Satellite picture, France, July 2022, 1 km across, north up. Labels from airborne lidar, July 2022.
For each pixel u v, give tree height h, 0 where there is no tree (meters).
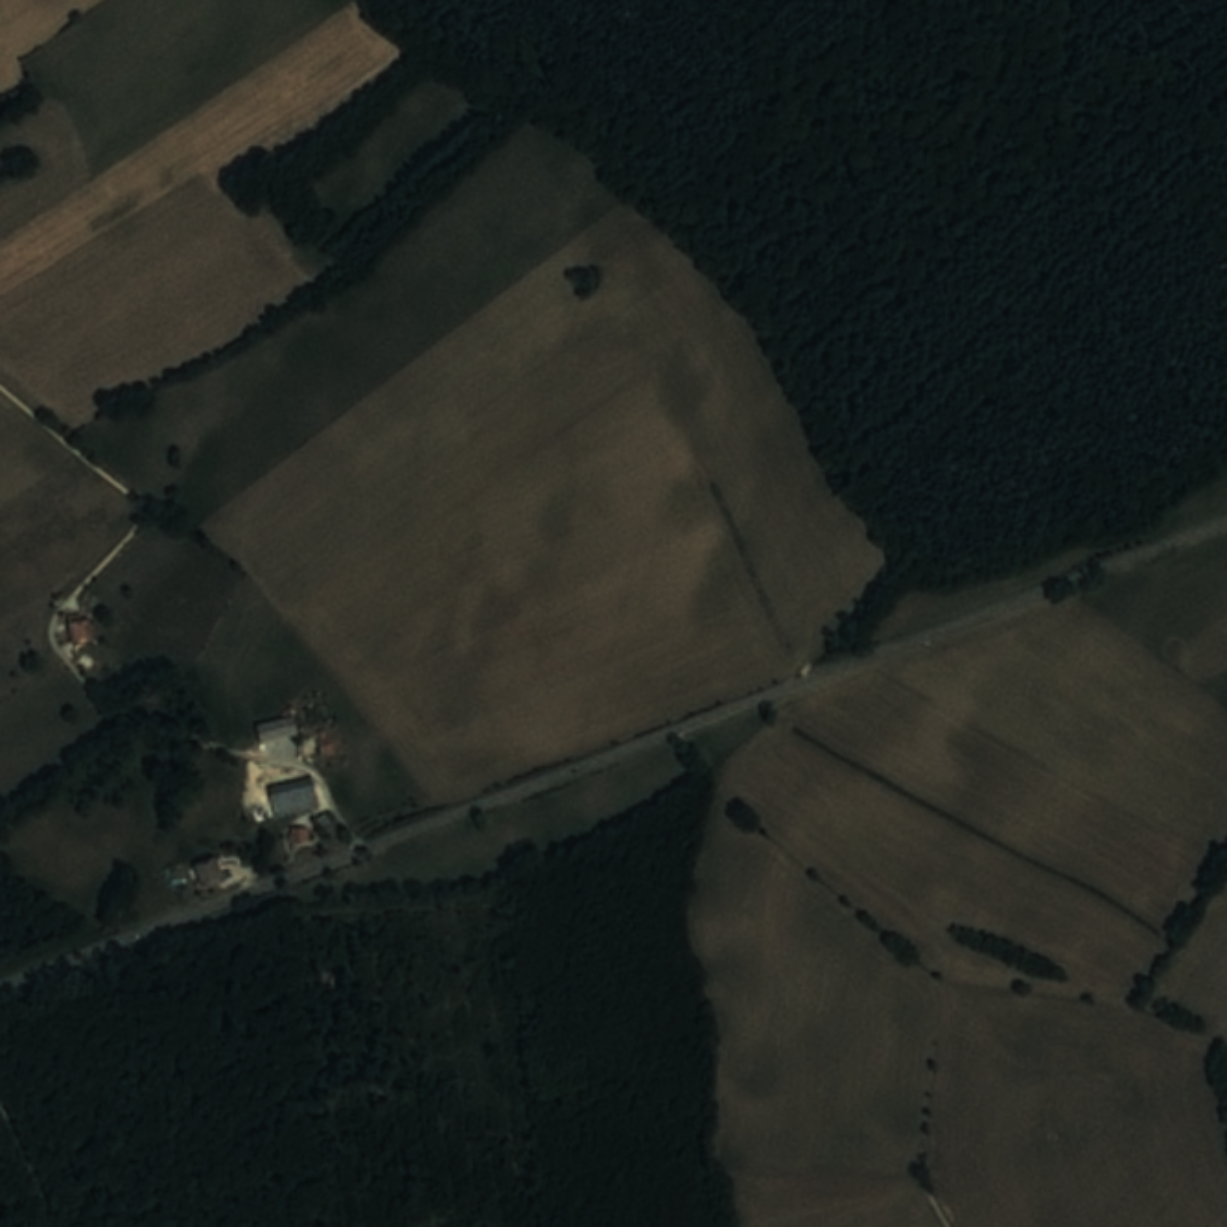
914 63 24
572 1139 10
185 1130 22
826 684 0
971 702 0
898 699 0
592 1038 20
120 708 21
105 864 0
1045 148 26
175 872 0
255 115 0
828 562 0
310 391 0
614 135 28
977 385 31
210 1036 21
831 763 0
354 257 18
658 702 0
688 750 18
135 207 0
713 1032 16
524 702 0
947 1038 0
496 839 0
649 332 0
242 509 0
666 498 0
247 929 21
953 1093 0
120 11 0
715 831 0
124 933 0
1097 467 25
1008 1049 0
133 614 0
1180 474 15
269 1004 15
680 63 30
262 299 0
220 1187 16
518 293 0
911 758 0
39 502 0
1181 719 0
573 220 0
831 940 0
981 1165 0
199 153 0
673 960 17
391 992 7
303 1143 23
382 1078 19
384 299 0
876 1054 0
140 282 0
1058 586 16
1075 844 0
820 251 29
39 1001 23
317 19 0
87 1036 24
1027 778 0
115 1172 26
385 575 0
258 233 0
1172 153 33
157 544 0
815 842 0
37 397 0
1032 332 31
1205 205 26
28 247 0
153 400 14
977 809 0
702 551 0
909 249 21
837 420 34
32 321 0
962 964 0
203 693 0
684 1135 13
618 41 30
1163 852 0
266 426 0
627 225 0
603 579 0
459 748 0
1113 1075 0
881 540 18
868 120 28
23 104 18
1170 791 0
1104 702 0
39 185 0
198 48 0
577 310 0
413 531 0
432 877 0
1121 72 27
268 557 0
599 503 0
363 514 0
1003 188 29
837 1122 0
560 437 0
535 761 0
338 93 0
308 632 0
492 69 30
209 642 0
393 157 0
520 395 0
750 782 0
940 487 29
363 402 0
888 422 26
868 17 18
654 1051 13
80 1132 21
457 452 0
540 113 20
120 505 0
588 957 19
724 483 0
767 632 0
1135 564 0
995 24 26
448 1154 7
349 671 0
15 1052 21
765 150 28
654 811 17
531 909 8
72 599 0
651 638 0
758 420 0
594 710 0
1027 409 29
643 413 0
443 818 0
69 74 0
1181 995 0
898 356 32
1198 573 0
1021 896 0
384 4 22
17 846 0
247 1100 22
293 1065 20
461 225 0
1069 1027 0
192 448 0
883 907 0
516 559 0
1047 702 0
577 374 0
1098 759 0
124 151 0
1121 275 32
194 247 0
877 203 33
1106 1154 0
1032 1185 0
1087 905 0
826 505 0
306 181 21
